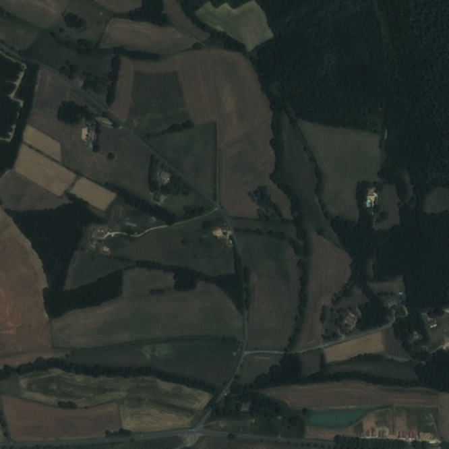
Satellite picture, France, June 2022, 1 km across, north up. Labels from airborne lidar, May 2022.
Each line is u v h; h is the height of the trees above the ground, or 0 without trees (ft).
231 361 0
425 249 55
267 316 0
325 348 0
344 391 0
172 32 0
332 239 0
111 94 47
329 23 64
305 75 62
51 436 0
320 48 48
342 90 43
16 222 35
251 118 0
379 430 0
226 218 0
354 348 0
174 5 0
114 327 0
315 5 28
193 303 0
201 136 0
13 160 40
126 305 0
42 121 0
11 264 0
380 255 47
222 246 0
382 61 68
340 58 36
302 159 0
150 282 0
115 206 0
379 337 0
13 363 0
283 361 42
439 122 30
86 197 0
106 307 0
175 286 46
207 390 50
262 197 81
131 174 0
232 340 25
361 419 0
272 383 55
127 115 0
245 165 0
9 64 29
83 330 0
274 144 58
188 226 0
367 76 66
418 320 59
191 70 0
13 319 0
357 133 0
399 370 0
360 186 39
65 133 0
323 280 0
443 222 65
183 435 0
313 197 0
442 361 73
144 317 0
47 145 0
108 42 0
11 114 54
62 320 0
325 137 0
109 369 39
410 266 68
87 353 0
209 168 0
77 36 0
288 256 0
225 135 0
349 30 66
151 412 0
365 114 48
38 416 0
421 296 61
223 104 0
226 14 0
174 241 0
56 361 42
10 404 0
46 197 0
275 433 0
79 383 0
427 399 0
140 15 48
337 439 56
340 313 57
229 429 0
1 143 56
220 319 0
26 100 40
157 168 0
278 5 63
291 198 32
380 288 0
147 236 0
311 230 0
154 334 0
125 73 0
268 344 0
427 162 33
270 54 69
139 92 0
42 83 0
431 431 0
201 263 0
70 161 0
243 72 0
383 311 52
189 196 0
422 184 79
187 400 0
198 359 0
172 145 0
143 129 0
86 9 0
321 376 62
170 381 48
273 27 41
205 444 0
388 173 58
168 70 0
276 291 0
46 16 0
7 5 0
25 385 0
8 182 0
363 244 49
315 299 0
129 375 35
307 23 64
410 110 27
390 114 39
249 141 0
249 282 36
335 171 0
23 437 0
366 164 0
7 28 0
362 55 62
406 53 36
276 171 48
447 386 66
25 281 0
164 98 0
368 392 0
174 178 45
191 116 0
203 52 0
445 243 51
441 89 72
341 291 26
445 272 51
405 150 55
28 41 0
